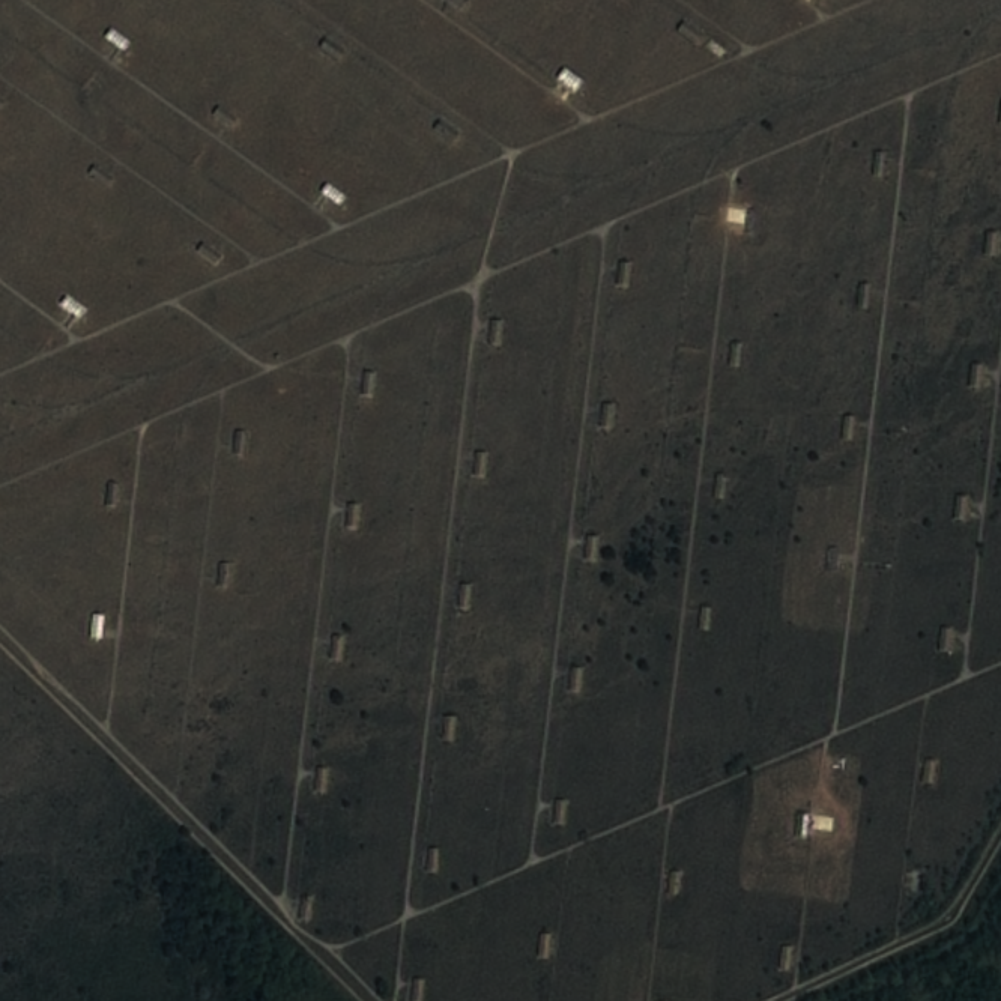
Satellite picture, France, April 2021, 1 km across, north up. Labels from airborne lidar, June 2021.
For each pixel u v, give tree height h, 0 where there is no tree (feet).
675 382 0
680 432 0
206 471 0
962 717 0
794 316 0
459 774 0
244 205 0
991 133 0
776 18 0
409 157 0
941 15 0
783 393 0
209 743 0
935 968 44
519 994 0
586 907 0
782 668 0
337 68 0
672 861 0
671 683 0
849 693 0
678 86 0
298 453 0
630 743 0
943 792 0
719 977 0
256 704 0
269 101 0
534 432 0
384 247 0
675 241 0
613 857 0
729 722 0
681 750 0
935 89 0
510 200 0
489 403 0
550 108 0
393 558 0
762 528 0
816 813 0
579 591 0
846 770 0
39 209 0
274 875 0
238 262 0
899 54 0
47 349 0
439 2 0
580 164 0
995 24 0
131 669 0
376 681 0
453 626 0
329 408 0
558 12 0
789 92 0
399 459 0
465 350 0
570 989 0
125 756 0
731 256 0
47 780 0
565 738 0
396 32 0
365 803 0
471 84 0
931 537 0
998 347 0
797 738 0
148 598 0
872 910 0
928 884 29
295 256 0
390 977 0
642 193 0
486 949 0
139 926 0
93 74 0
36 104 0
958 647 0
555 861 0
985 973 43
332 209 0
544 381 0
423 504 0
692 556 0
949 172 0
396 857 0
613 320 0
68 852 0
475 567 0
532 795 0
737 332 0
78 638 0
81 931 0
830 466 0
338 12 0
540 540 0
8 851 0
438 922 0
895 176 0
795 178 0
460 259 0
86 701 0
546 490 0
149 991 0
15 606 0
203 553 0
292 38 0
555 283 0
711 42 0
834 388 0
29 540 0
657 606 0
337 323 0
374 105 0
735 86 0
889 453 0
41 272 0
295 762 0
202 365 0
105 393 0
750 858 0
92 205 0
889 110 0
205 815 0
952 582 0
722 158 0
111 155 0
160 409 0
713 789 0
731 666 0
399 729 0
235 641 0
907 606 0
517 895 0
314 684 0
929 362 0
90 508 0
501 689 0
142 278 0
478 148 0
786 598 0
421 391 0
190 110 0
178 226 0
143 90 0
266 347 0
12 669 0
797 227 0
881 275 0
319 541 0
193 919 18
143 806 0
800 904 0
